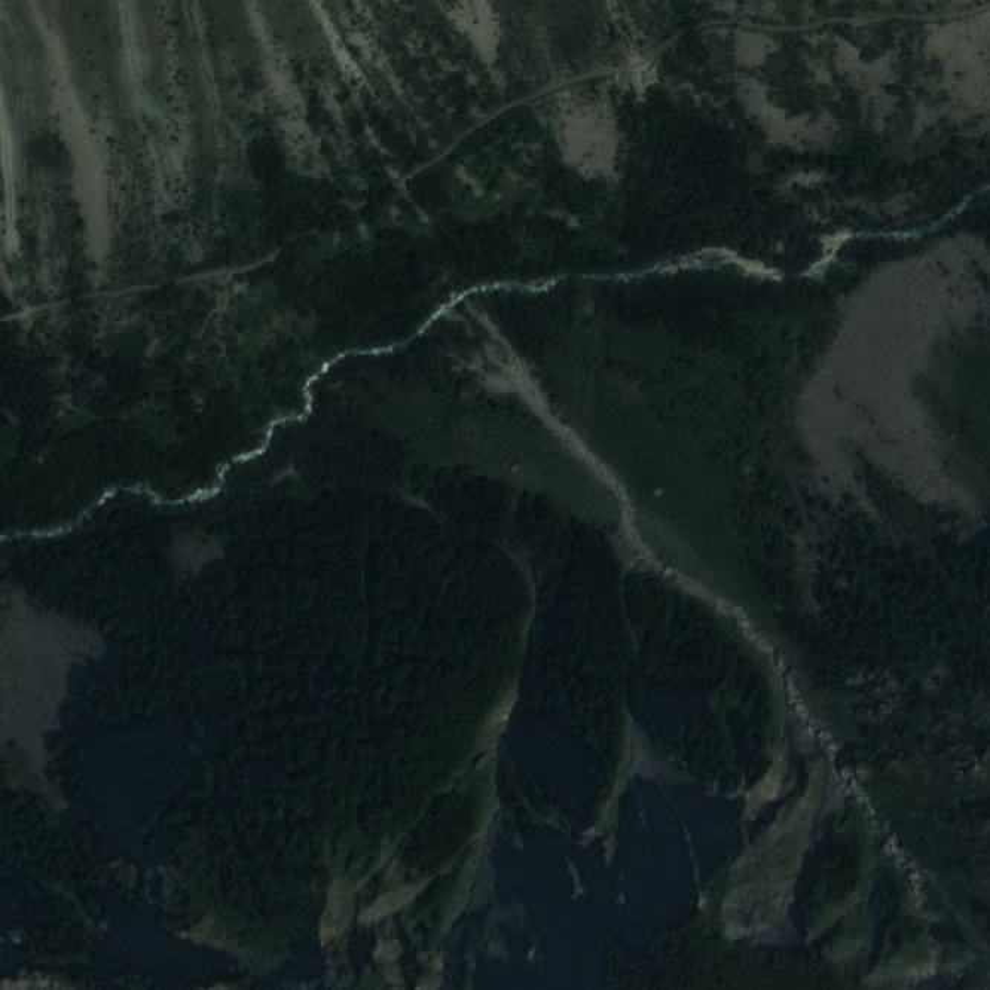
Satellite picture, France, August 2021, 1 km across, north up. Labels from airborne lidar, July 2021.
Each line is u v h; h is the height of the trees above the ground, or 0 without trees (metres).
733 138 9
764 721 10
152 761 10
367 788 22
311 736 20
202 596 16
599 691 24
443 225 8
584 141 0
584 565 19
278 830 11
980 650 6
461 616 24
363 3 0
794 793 0
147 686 18
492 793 0
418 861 17
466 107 8
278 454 7
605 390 0
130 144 0
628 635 12
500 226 11
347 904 0
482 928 0
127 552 20
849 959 0
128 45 0
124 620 19
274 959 0
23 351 11
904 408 0
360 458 6
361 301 10
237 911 7
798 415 0
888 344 0
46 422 14
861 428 0
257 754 18
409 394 0
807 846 0
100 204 0
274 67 0
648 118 12
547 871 0
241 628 13
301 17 0
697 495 0
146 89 0
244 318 0
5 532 18
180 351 9
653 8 7
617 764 8
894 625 6
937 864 0
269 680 11
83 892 13
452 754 22
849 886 14
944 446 0
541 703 12
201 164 0
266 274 10
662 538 0
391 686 17
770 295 13
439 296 6
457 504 13
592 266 10
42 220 0
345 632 21
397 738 26
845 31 9
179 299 9
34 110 0
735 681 7
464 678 24
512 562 19
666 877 0
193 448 16
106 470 13
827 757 0
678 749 6
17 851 6
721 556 0
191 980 0
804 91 6
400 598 23
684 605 8
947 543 9
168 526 21
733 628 0
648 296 9
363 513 17
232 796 14
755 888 0
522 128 7
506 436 0
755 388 7
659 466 0
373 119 8
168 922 6
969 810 14
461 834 22
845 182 10
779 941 0
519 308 8
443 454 0
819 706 0
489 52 0
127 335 0
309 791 13
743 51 0
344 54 0
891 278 0
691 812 0
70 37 0
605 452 0
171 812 9
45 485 14
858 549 6
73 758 12
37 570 23
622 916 0
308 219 8
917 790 0
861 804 0
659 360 0
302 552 15
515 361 0
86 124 0
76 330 7
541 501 10
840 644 6
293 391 9
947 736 8
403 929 0
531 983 0
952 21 0
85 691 18
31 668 0
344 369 7
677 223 11
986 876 0
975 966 0
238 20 0
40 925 11
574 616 29
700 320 8
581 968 0
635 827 0
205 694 13
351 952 0
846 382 0
